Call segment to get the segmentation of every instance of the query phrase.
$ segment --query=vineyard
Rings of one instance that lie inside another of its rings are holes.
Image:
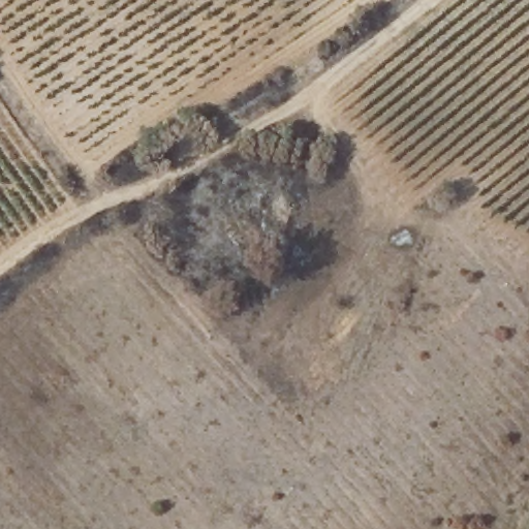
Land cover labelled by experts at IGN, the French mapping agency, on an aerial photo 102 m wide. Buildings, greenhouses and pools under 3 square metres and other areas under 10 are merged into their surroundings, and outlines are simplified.
[[[21,157],[8,161],[0,149],[0,252],[12,246],[19,236],[25,236],[29,229],[33,229],[41,217],[45,221],[52,219],[56,215],[56,209],[52,196],[43,188],[48,180],[45,169],[41,169],[37,163],[27,165]]]
[[[494,186],[500,186],[504,182],[506,188],[490,200],[486,200],[484,209],[490,209],[492,215],[500,215],[504,221],[510,221],[512,225],[529,231],[529,0],[442,0],[446,8],[438,14],[426,27],[422,27],[411,39],[407,39],[401,48],[386,56],[378,66],[364,74],[353,87],[335,97],[337,101],[351,101],[347,107],[343,107],[343,112],[355,110],[355,105],[364,101],[366,107],[357,112],[357,120],[362,122],[360,130],[368,128],[368,138],[372,138],[376,132],[388,126],[391,132],[376,147],[382,153],[388,153],[391,159],[405,169],[405,178],[413,184],[413,190],[426,188],[455,161],[469,167],[463,180],[473,182],[475,196],[490,194]]]

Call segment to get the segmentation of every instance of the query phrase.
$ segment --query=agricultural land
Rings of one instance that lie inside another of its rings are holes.
[[[351,143],[355,145],[349,163],[349,174],[355,178],[364,203],[357,219],[353,221],[357,246],[351,250],[351,256],[345,262],[333,265],[333,279],[326,283],[324,291],[293,316],[293,326],[285,333],[283,372],[285,378],[291,380],[295,386],[295,401],[283,403],[277,395],[273,395],[269,384],[258,380],[256,372],[242,362],[238,347],[213,329],[213,322],[200,310],[198,295],[188,285],[178,277],[167,275],[159,262],[151,260],[149,256],[143,252],[143,246],[126,229],[126,225],[120,223],[107,234],[93,236],[85,221],[56,236],[54,242],[60,246],[62,252],[54,269],[41,275],[35,283],[27,285],[19,293],[17,302],[0,314],[0,529],[461,529],[463,515],[484,515],[481,523],[488,529],[529,529],[529,231],[512,225],[510,221],[504,221],[500,215],[492,215],[490,209],[484,209],[486,200],[490,200],[506,188],[504,182],[500,186],[494,186],[490,194],[475,196],[473,182],[463,180],[469,167],[455,161],[426,188],[413,190],[413,184],[405,178],[405,169],[391,159],[388,153],[382,153],[376,147],[391,132],[388,126],[376,132],[372,138],[368,138],[368,128],[360,130],[362,122],[357,120],[357,112],[366,107],[364,101],[355,105],[355,110],[343,112],[347,122],[341,128],[341,132],[349,134]],[[448,192],[453,192],[448,196],[448,205],[455,209],[450,217],[440,221],[428,219],[422,211],[413,209],[442,184],[448,188]],[[386,302],[401,300],[397,293],[397,285],[405,283],[405,279],[413,279],[417,285],[411,310],[393,312],[386,308]]]

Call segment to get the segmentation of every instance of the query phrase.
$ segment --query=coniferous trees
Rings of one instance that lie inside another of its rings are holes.
[[[21,157],[27,165],[37,163],[41,169],[45,169],[48,180],[43,188],[52,196],[56,209],[72,196],[70,190],[60,182],[66,174],[66,167],[74,165],[85,182],[89,178],[95,178],[103,165],[107,165],[120,151],[128,149],[134,155],[136,167],[141,172],[147,172],[149,178],[155,178],[159,172],[184,167],[205,153],[217,151],[223,145],[223,141],[227,141],[217,134],[217,130],[205,116],[196,114],[198,105],[219,105],[236,97],[238,93],[246,91],[254,83],[262,81],[275,68],[287,66],[302,56],[302,52],[318,45],[324,39],[331,39],[339,27],[353,21],[353,17],[362,17],[366,10],[370,10],[374,8],[372,0],[0,0],[0,149],[8,161]]]
[[[236,136],[227,141],[231,149],[229,153],[240,153],[244,159],[260,155],[262,161],[275,163],[291,161],[291,169],[298,167],[300,159],[308,163],[306,167],[310,182],[324,182],[326,167],[335,155],[333,147],[337,132],[322,132],[320,126],[312,120],[293,118],[273,122],[262,130],[248,130],[242,126],[240,126]]]
[[[275,295],[279,293],[279,285],[271,277],[273,271],[279,267],[277,260],[271,254],[256,250],[248,256],[246,265],[244,275],[260,281],[267,289],[271,289],[271,295]]]
[[[143,217],[136,223],[126,225],[126,229],[143,246],[143,252],[149,256],[151,252],[161,250],[165,242],[169,242],[169,238],[153,234],[153,225],[172,219],[174,213],[163,203],[163,190],[153,190],[136,200],[143,209]]]
[[[200,310],[213,322],[219,316],[225,320],[234,320],[231,310],[238,304],[234,300],[234,285],[225,279],[219,279],[198,295]]]

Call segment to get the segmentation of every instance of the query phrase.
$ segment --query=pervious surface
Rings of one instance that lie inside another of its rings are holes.
[[[391,25],[382,29],[374,37],[360,43],[353,52],[343,56],[337,64],[333,64],[320,79],[316,79],[312,85],[295,93],[287,103],[254,120],[244,120],[242,126],[248,130],[262,130],[273,122],[293,118],[312,120],[320,126],[322,132],[337,132],[341,132],[341,128],[347,122],[343,112],[343,107],[347,107],[351,101],[337,101],[335,97],[331,95],[333,85],[339,83],[345,74],[349,74],[360,62],[368,60],[388,39],[399,35],[426,10],[434,8],[438,14],[446,8],[442,0],[413,0]]]
[[[153,190],[163,190],[165,182],[194,174],[207,167],[211,161],[219,159],[229,153],[231,149],[227,141],[223,141],[223,145],[217,151],[205,153],[184,167],[159,172],[155,178],[149,178],[116,188],[112,192],[103,192],[101,196],[85,205],[79,203],[74,196],[72,196],[56,209],[56,215],[52,219],[45,221],[41,217],[33,229],[29,229],[25,236],[19,236],[12,246],[0,252],[0,277],[39,246],[54,242],[56,236],[85,221],[107,207],[136,200]]]

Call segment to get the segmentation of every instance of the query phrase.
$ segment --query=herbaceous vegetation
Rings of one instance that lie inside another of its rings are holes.
[[[370,10],[382,29],[391,25],[413,0],[372,0],[374,8]]]
[[[198,105],[196,114],[205,116],[217,130],[217,134],[227,141],[236,136],[240,126],[229,120],[229,116],[225,116],[225,112],[219,105]]]
[[[399,35],[388,39],[368,60],[360,62],[349,74],[345,74],[339,83],[333,85],[331,95],[335,97],[353,87],[364,74],[378,66],[386,56],[401,48],[407,39],[411,39],[422,27],[426,27],[438,14],[434,8],[426,10]]]
[[[79,203],[85,205],[101,196],[103,192],[112,192],[116,188],[107,174],[107,165],[103,165],[95,178],[89,178],[85,182],[83,192],[74,196]]]
[[[320,79],[333,64],[320,60],[318,45],[302,52],[302,56],[287,66],[293,70],[295,76],[295,93],[312,85],[316,79]]]
[[[194,174],[165,182],[163,190],[163,203],[174,213],[172,219],[153,225],[153,234],[169,238],[169,242],[165,242],[161,250],[174,250],[174,262],[178,271],[184,271],[190,258],[190,248],[194,248],[198,242],[196,238],[200,234],[207,234],[190,219],[192,190],[198,184]]]
[[[279,293],[275,295],[271,295],[271,289],[267,289],[260,281],[244,275],[246,265],[242,260],[231,262],[229,256],[205,258],[203,277],[194,277],[188,285],[198,295],[219,279],[225,279],[234,285],[234,300],[238,304],[231,310],[234,320],[225,320],[219,316],[213,322],[213,329],[238,347],[242,362],[256,372],[258,380],[269,384],[273,395],[277,395],[283,403],[295,401],[295,386],[291,380],[285,378],[283,372],[285,333],[293,326],[293,316],[324,291],[326,283],[333,279],[333,265],[345,262],[351,256],[351,250],[357,246],[353,221],[357,219],[364,203],[355,178],[349,174],[349,163],[355,145],[351,143],[349,134],[341,132],[337,132],[333,147],[335,155],[326,167],[324,182],[310,182],[306,167],[308,163],[300,159],[298,167],[291,169],[291,161],[275,163],[262,161],[260,155],[244,159],[240,153],[229,153],[219,159],[223,161],[227,172],[240,176],[242,180],[248,180],[252,172],[256,172],[262,180],[271,172],[281,172],[283,196],[277,196],[273,200],[273,211],[279,221],[285,221],[285,244],[277,246],[277,260],[279,267],[273,271],[271,277],[279,285]]]

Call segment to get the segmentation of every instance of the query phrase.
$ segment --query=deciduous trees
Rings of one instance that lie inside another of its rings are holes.
[[[428,219],[440,221],[450,217],[455,209],[448,205],[448,196],[453,192],[448,192],[448,188],[442,184],[413,209],[422,211]]]

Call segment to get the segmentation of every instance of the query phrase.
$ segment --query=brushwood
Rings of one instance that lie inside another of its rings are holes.
[[[405,279],[405,283],[397,285],[397,293],[401,300],[386,302],[386,308],[393,312],[411,310],[417,285],[413,279]]]
[[[85,182],[74,165],[66,167],[66,174],[60,182],[70,190],[72,196],[74,196],[83,192]]]
[[[39,246],[0,277],[0,314],[17,302],[19,293],[27,285],[35,283],[41,275],[54,269],[62,252],[60,246],[54,242]]]
[[[149,178],[147,172],[141,172],[136,167],[134,155],[128,149],[120,151],[107,165],[107,174],[116,188]]]
[[[343,56],[353,52],[360,43],[374,37],[382,29],[370,10],[366,10],[362,17],[353,17],[353,21],[339,27],[331,39],[324,39],[318,45],[320,60],[333,64],[337,64]]]
[[[481,523],[484,515],[463,515],[461,529],[488,529]]]
[[[198,184],[192,190],[190,219],[207,234],[200,234],[196,238],[198,242],[194,248],[190,248],[190,258],[184,271],[178,271],[174,262],[174,250],[161,250],[151,252],[149,256],[151,260],[159,262],[167,275],[178,277],[188,285],[194,277],[203,277],[205,258],[229,256],[231,262],[242,260],[246,265],[248,256],[256,250],[271,254],[277,260],[277,246],[285,244],[285,221],[279,221],[273,211],[273,200],[277,196],[283,196],[281,172],[271,172],[262,180],[256,172],[252,172],[248,180],[242,180],[240,176],[227,172],[223,161],[219,159],[211,161],[207,167],[194,174]]]
[[[275,68],[262,81],[254,83],[246,91],[238,93],[236,97],[219,105],[225,112],[225,116],[229,116],[229,120],[240,126],[242,126],[244,120],[254,120],[287,103],[295,93],[295,76],[293,70],[287,66]]]
[[[120,223],[126,225],[136,223],[143,217],[143,209],[136,200],[107,207],[85,221],[93,236],[107,234]]]

